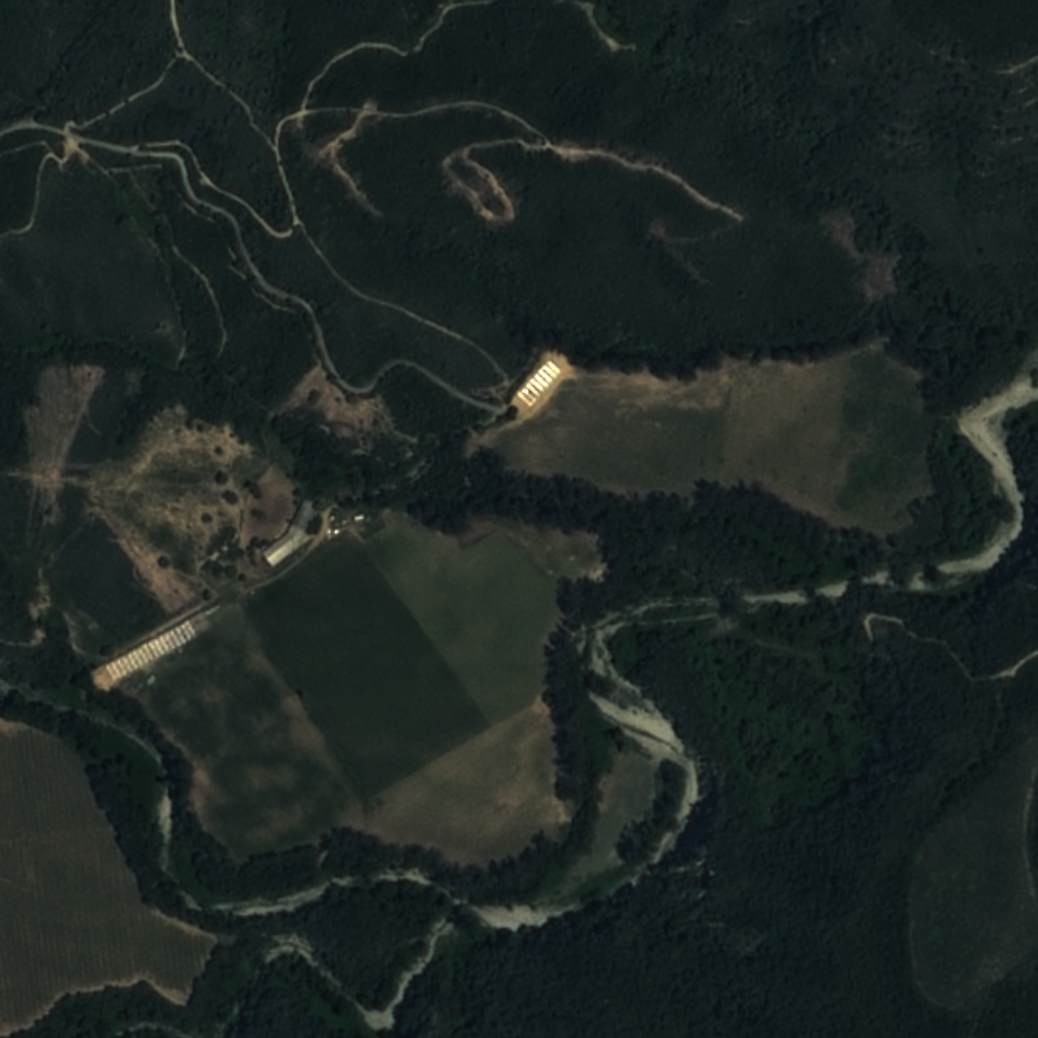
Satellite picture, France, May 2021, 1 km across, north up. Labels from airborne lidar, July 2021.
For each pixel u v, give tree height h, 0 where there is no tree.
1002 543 0
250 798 0
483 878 34
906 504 0
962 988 0
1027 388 0
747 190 7
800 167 15
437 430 11
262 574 0
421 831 0
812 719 8
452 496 12
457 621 0
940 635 11
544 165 6
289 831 0
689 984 15
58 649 13
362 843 36
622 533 18
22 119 7
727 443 0
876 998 10
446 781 0
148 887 16
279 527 0
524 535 0
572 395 0
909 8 10
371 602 0
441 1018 6
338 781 0
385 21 6
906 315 12
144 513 0
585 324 6
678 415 0
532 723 0
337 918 12
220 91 8
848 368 0
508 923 0
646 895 15
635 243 7
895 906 15
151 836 28
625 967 10
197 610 0
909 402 0
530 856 14
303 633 0
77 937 0
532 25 8
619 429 0
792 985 10
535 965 9
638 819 0
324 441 12
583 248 6
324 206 10
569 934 17
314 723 0
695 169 6
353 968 8
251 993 14
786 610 18
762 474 0
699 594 12
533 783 0
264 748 0
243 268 11
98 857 0
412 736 0
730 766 9
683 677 10
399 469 9
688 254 7
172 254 7
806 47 7
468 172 6
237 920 8
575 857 11
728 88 11
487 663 0
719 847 7
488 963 7
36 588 0
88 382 0
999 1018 6
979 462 12
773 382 0
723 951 9
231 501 9
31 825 0
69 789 0
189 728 0
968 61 6
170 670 0
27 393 11
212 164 6
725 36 6
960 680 12
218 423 10
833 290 6
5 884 0
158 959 0
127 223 15
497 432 0
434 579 0
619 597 25
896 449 0
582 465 0
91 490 0
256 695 0
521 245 5
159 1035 7
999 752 11
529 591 0
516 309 8
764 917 9
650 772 0
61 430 0
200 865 10
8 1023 0
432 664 0
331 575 0
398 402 6
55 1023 13
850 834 12
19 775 0
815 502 0
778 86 6
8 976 0
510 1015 10
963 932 0
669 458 0
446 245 6
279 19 9
